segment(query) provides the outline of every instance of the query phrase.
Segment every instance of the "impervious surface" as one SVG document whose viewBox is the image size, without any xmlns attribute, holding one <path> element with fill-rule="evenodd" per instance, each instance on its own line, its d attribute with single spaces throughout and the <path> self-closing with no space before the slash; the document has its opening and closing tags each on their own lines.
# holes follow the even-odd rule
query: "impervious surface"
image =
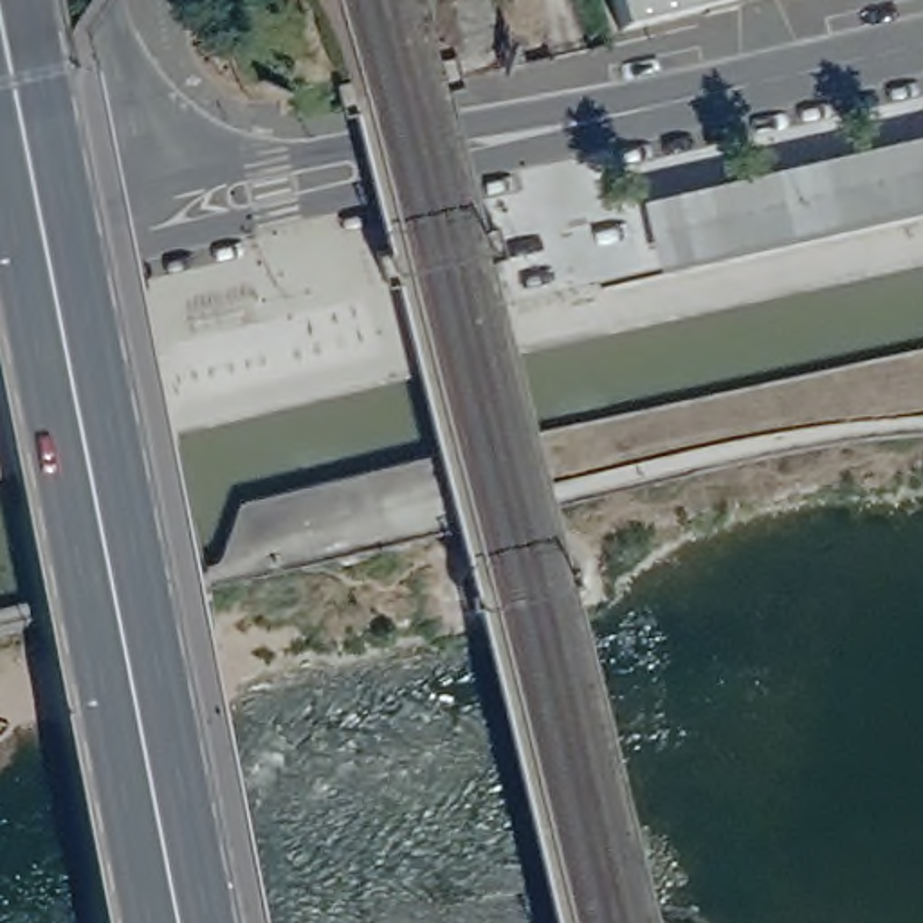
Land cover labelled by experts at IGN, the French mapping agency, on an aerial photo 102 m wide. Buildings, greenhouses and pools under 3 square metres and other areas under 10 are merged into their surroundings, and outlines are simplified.
<svg viewBox="0 0 923 923">
<path fill-rule="evenodd" d="M 249 797 L 252 775 L 238 739 L 238 699 L 224 703 L 224 671 L 209 609 L 213 588 L 231 577 L 238 584 L 281 580 L 296 577 L 306 566 L 361 555 L 397 548 L 422 541 L 440 544 L 440 519 L 458 512 L 487 635 L 559 923 L 580 923 L 508 624 L 494 584 L 490 552 L 483 541 L 454 411 L 443 386 L 436 339 L 429 328 L 418 260 L 411 249 L 397 180 L 389 169 L 389 151 L 379 130 L 371 79 L 357 50 L 346 0 L 321 0 L 321 4 L 346 54 L 343 101 L 357 108 L 357 119 L 285 119 L 288 90 L 260 83 L 256 76 L 242 72 L 231 58 L 202 54 L 195 47 L 195 32 L 173 18 L 169 0 L 0 0 L 0 480 L 25 483 L 32 541 L 43 577 L 40 595 L 29 595 L 22 606 L 0 609 L 0 768 L 7 768 L 14 757 L 18 728 L 36 725 L 36 699 L 25 649 L 36 645 L 40 631 L 50 627 L 69 717 L 108 923 L 274 923 L 256 833 L 256 800 Z M 180 433 L 404 379 L 422 379 L 425 386 L 440 443 L 429 458 L 245 501 L 238 508 L 224 559 L 216 566 L 202 562 L 206 541 L 198 537 Z"/>
<path fill-rule="evenodd" d="M 454 130 L 465 144 L 458 159 L 465 169 L 469 198 L 476 206 L 487 206 L 490 220 L 508 238 L 541 238 L 537 252 L 519 252 L 501 263 L 508 324 L 516 343 L 530 350 L 923 267 L 923 213 L 844 231 L 818 242 L 779 245 L 721 263 L 689 267 L 678 274 L 660 274 L 656 252 L 645 245 L 642 234 L 638 206 L 602 202 L 599 195 L 599 169 L 606 162 L 617 162 L 620 155 L 627 159 L 627 169 L 649 173 L 649 191 L 656 198 L 728 184 L 728 173 L 717 159 L 717 144 L 746 133 L 754 137 L 754 144 L 775 144 L 779 173 L 854 155 L 847 141 L 833 133 L 836 115 L 851 108 L 876 108 L 887 119 L 880 137 L 873 141 L 876 148 L 923 137 L 923 0 L 746 0 L 739 4 L 739 11 L 728 14 L 692 14 L 649 29 L 617 25 L 609 29 L 606 47 L 584 47 L 580 36 L 552 47 L 526 47 L 526 40 L 508 36 L 508 0 L 469 0 L 454 7 L 462 50 L 440 50 L 440 58 L 447 61 L 447 76 L 440 79 L 440 101 L 454 115 Z"/>
<path fill-rule="evenodd" d="M 645 483 L 699 465 L 754 458 L 764 451 L 811 447 L 822 440 L 923 429 L 923 418 L 844 422 L 757 436 L 559 483 L 555 490 L 555 498 L 570 501 L 606 487 Z"/>
</svg>

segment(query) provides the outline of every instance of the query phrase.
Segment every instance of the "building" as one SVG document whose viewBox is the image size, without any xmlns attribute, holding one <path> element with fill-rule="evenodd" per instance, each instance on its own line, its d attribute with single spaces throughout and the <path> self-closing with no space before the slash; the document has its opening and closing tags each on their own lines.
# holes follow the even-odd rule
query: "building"
<svg viewBox="0 0 923 923">
<path fill-rule="evenodd" d="M 649 29 L 692 14 L 728 14 L 739 11 L 739 4 L 746 0 L 606 0 L 617 25 Z"/>
<path fill-rule="evenodd" d="M 818 242 L 844 231 L 923 213 L 923 137 L 876 148 L 854 155 L 779 173 L 728 184 L 656 198 L 645 198 L 638 206 L 642 234 L 645 245 L 656 252 L 660 274 L 678 274 L 689 267 L 721 263 L 779 245 Z"/>
</svg>

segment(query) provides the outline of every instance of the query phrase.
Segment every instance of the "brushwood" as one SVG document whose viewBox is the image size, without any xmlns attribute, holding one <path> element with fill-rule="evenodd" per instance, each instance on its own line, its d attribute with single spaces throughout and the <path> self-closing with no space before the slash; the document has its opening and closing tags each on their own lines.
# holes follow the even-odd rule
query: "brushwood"
<svg viewBox="0 0 923 923">
<path fill-rule="evenodd" d="M 854 483 L 854 472 L 840 472 L 833 487 L 811 494 L 815 508 L 869 505 L 865 487 Z"/>
<path fill-rule="evenodd" d="M 314 25 L 324 43 L 332 76 L 324 83 L 303 79 L 288 90 L 285 119 L 357 119 L 357 108 L 343 101 L 346 54 L 321 4 L 314 11 Z"/>
<path fill-rule="evenodd" d="M 393 627 L 386 617 L 375 617 L 364 631 L 350 627 L 343 642 L 324 638 L 324 627 L 317 624 L 299 635 L 296 642 L 288 642 L 292 653 L 361 653 L 386 642 L 389 635 L 422 635 L 418 645 L 436 660 L 462 660 L 469 656 L 469 642 L 465 627 L 443 631 L 443 624 L 429 613 L 429 566 L 407 577 L 411 627 Z"/>
<path fill-rule="evenodd" d="M 570 0 L 580 36 L 584 47 L 606 47 L 609 29 L 617 25 L 606 0 Z"/>
<path fill-rule="evenodd" d="M 353 562 L 353 577 L 386 580 L 400 566 L 397 548 L 361 555 L 361 562 Z"/>
</svg>

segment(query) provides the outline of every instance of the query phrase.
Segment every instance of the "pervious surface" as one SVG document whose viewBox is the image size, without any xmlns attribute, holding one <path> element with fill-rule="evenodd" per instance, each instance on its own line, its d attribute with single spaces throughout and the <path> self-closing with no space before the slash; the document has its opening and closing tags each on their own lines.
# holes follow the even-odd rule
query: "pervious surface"
<svg viewBox="0 0 923 923">
<path fill-rule="evenodd" d="M 436 339 L 443 386 L 454 411 L 483 541 L 490 552 L 494 584 L 508 624 L 580 923 L 663 923 L 663 909 L 671 898 L 660 891 L 660 876 L 653 876 L 653 858 L 638 847 L 638 833 L 645 826 L 631 797 L 627 757 L 620 750 L 609 685 L 602 674 L 599 635 L 591 627 L 595 620 L 595 606 L 602 602 L 602 552 L 584 534 L 570 530 L 562 537 L 552 516 L 555 498 L 555 490 L 548 487 L 548 469 L 541 458 L 544 433 L 526 379 L 530 350 L 516 343 L 508 324 L 501 263 L 519 252 L 537 252 L 541 238 L 508 238 L 490 220 L 487 206 L 476 206 L 469 198 L 465 169 L 458 159 L 465 144 L 454 130 L 454 115 L 440 101 L 440 79 L 447 76 L 447 61 L 440 58 L 440 50 L 425 47 L 425 0 L 346 0 L 357 50 L 371 79 L 379 130 L 389 151 L 389 169 L 397 180 L 411 249 L 418 260 L 429 328 Z"/>
</svg>

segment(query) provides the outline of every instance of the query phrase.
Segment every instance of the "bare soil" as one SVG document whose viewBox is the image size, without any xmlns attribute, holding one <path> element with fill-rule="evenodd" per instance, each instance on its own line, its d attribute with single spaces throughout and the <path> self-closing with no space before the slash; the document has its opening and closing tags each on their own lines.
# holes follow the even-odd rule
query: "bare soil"
<svg viewBox="0 0 923 923">
<path fill-rule="evenodd" d="M 260 674 L 281 674 L 296 667 L 364 667 L 418 645 L 422 635 L 389 635 L 386 642 L 361 653 L 292 653 L 288 642 L 296 642 L 299 635 L 296 627 L 238 631 L 234 606 L 224 613 L 209 609 L 224 671 L 224 703 L 238 699 L 245 692 L 245 681 Z"/>
<path fill-rule="evenodd" d="M 54 721 L 69 717 L 50 627 L 40 631 L 36 645 L 25 649 L 36 699 L 50 696 Z"/>
</svg>

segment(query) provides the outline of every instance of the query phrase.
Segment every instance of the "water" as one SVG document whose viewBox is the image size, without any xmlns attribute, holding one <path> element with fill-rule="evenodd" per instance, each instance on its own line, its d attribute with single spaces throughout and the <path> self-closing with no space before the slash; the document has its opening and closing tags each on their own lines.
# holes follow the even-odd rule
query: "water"
<svg viewBox="0 0 923 923">
<path fill-rule="evenodd" d="M 43 577 L 32 541 L 25 483 L 0 480 L 0 609 L 22 606 L 29 595 L 40 595 Z"/>
<path fill-rule="evenodd" d="M 689 541 L 656 566 L 649 566 L 631 580 L 631 588 L 609 609 L 609 617 L 595 620 L 591 627 L 599 635 L 602 674 L 609 685 L 620 750 L 627 757 L 631 797 L 645 826 L 638 833 L 638 847 L 653 858 L 653 876 L 660 876 L 660 891 L 671 898 L 663 909 L 663 923 L 923 923 L 923 498 L 909 498 L 901 505 L 869 505 L 815 508 L 736 523 L 732 530 Z"/>
<path fill-rule="evenodd" d="M 422 379 L 404 379 L 180 433 L 198 537 L 206 541 L 202 562 L 216 566 L 224 559 L 238 508 L 245 501 L 429 458 L 440 443 L 425 386 Z"/>
<path fill-rule="evenodd" d="M 274 923 L 559 923 L 487 635 L 469 642 L 469 656 L 462 660 L 436 660 L 418 645 L 364 667 L 296 667 L 281 674 L 260 674 L 245 681 L 245 692 L 238 699 L 238 739 L 252 775 L 249 797 L 256 800 L 256 833 Z"/>
<path fill-rule="evenodd" d="M 7 768 L 0 768 L 0 923 L 108 923 L 69 717 L 54 721 L 50 696 L 36 699 L 36 725 L 18 728 L 14 757 Z"/>
<path fill-rule="evenodd" d="M 544 433 L 660 404 L 696 400 L 710 393 L 746 389 L 775 379 L 844 368 L 873 357 L 923 350 L 923 267 L 530 350 L 526 379 Z"/>
</svg>

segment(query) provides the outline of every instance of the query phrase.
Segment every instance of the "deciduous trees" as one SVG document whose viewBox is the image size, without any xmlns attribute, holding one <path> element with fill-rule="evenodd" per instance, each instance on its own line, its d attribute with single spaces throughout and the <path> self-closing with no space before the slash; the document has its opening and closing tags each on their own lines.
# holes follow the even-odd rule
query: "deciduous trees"
<svg viewBox="0 0 923 923">
<path fill-rule="evenodd" d="M 876 148 L 873 141 L 880 137 L 887 119 L 876 108 L 851 108 L 836 115 L 833 133 L 847 141 L 854 155 Z"/>
<path fill-rule="evenodd" d="M 754 137 L 746 133 L 717 144 L 717 159 L 728 173 L 728 184 L 779 173 L 775 144 L 754 144 Z"/>
<path fill-rule="evenodd" d="M 624 523 L 620 530 L 606 534 L 602 552 L 602 602 L 595 606 L 595 620 L 609 617 L 609 609 L 631 588 L 631 580 L 649 566 L 645 552 L 653 548 L 653 526 L 645 523 Z"/>
<path fill-rule="evenodd" d="M 645 198 L 656 198 L 649 191 L 649 173 L 627 169 L 627 159 L 620 155 L 617 162 L 606 162 L 599 169 L 599 195 L 602 202 L 638 206 Z"/>
<path fill-rule="evenodd" d="M 195 47 L 202 54 L 231 58 L 249 40 L 245 0 L 169 0 L 173 18 L 195 32 Z"/>
</svg>

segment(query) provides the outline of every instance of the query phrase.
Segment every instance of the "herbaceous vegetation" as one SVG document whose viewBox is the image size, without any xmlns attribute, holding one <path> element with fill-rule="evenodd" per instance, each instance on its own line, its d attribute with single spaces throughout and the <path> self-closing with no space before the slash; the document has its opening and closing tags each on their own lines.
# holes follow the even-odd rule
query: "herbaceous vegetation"
<svg viewBox="0 0 923 923">
<path fill-rule="evenodd" d="M 350 627 L 364 631 L 375 617 L 386 617 L 393 627 L 411 627 L 407 577 L 429 566 L 429 613 L 443 624 L 443 631 L 465 627 L 469 642 L 487 635 L 458 512 L 440 519 L 440 544 L 422 541 L 397 548 L 400 566 L 386 580 L 353 577 L 353 562 L 361 562 L 361 555 L 306 566 L 296 577 L 281 580 L 238 584 L 231 577 L 213 588 L 209 609 L 224 613 L 234 606 L 238 631 L 296 627 L 299 635 L 317 624 L 324 627 L 324 638 L 343 642 Z"/>
<path fill-rule="evenodd" d="M 324 43 L 314 25 L 314 11 L 321 4 L 321 0 L 245 0 L 249 40 L 231 58 L 242 72 L 256 76 L 260 83 L 288 90 L 303 79 L 324 83 L 332 76 Z"/>
<path fill-rule="evenodd" d="M 822 440 L 811 447 L 764 451 L 754 458 L 699 465 L 645 483 L 606 487 L 570 501 L 555 498 L 552 516 L 562 537 L 570 530 L 584 534 L 602 552 L 606 534 L 620 530 L 624 523 L 645 523 L 653 526 L 653 548 L 645 552 L 649 566 L 656 566 L 689 541 L 732 530 L 736 523 L 815 508 L 811 494 L 833 487 L 840 472 L 854 472 L 854 483 L 865 487 L 869 505 L 901 505 L 909 498 L 923 498 L 923 429 Z"/>
<path fill-rule="evenodd" d="M 454 7 L 469 0 L 425 0 L 425 47 L 440 50 L 462 50 Z"/>
<path fill-rule="evenodd" d="M 559 483 L 757 436 L 844 422 L 923 418 L 923 350 L 873 357 L 844 368 L 775 379 L 746 389 L 710 393 L 696 400 L 660 404 L 544 433 L 541 458 L 548 469 L 548 487 L 555 490 Z"/>
<path fill-rule="evenodd" d="M 570 0 L 508 0 L 508 36 L 526 40 L 526 47 L 552 47 L 580 36 Z"/>
</svg>

